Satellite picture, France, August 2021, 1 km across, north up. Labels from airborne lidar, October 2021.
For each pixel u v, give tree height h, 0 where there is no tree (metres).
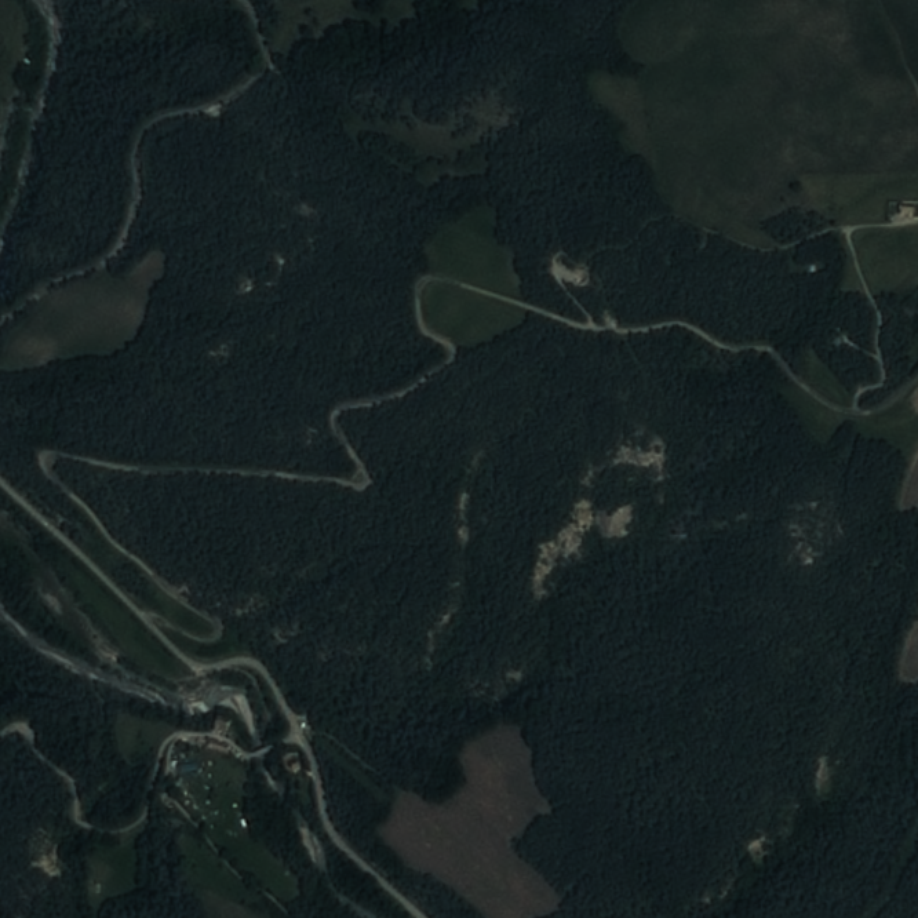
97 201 9
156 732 0
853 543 10
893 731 13
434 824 0
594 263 7
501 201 11
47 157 12
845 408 0
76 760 18
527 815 0
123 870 0
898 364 12
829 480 6
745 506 7
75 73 10
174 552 10
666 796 10
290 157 6
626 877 13
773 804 7
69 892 13
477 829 0
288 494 8
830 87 0
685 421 10
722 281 6
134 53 15
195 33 14
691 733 11
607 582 10
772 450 11
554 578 13
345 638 8
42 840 6
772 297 6
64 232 8
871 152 0
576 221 9
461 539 7
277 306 9
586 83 7
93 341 0
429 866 0
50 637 16
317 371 8
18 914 22
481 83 7
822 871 11
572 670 12
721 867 6
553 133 6
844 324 8
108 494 7
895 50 0
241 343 9
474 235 0
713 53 0
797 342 9
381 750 15
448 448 7
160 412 8
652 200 8
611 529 0
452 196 9
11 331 7
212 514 6
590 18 7
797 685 6
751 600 8
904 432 0
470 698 16
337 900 14
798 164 0
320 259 8
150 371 11
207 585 6
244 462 6
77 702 15
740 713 10
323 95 14
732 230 0
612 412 8
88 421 8
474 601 9
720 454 8
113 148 10
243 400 6
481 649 10
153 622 0
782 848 12
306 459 6
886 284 0
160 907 13
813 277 12
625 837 13
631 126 0
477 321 0
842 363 8
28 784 11
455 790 14
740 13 0
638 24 0
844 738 7
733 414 12
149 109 7
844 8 0
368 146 7
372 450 8
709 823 12
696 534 7
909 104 0
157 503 12
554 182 8
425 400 8
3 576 11
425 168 6
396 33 18
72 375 16
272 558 9
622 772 11
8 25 0
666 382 9
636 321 7
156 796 10
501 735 0
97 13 9
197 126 9
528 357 7
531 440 7
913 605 13
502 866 0
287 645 9
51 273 8
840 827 8
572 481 8
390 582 11
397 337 8
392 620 11
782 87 0
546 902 0
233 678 12
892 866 13
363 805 14
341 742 8
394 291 10
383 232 7
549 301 8
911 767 6
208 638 0
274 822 22
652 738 10
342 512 8
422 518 7
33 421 10
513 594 8
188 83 11
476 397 6
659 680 8
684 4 0
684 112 0
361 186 9
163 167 7
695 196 0
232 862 10
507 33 8
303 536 8
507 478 8
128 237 7
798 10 0
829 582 8
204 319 11
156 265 0
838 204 0
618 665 9
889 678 14
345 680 10
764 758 9
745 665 10
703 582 9
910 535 12
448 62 17
